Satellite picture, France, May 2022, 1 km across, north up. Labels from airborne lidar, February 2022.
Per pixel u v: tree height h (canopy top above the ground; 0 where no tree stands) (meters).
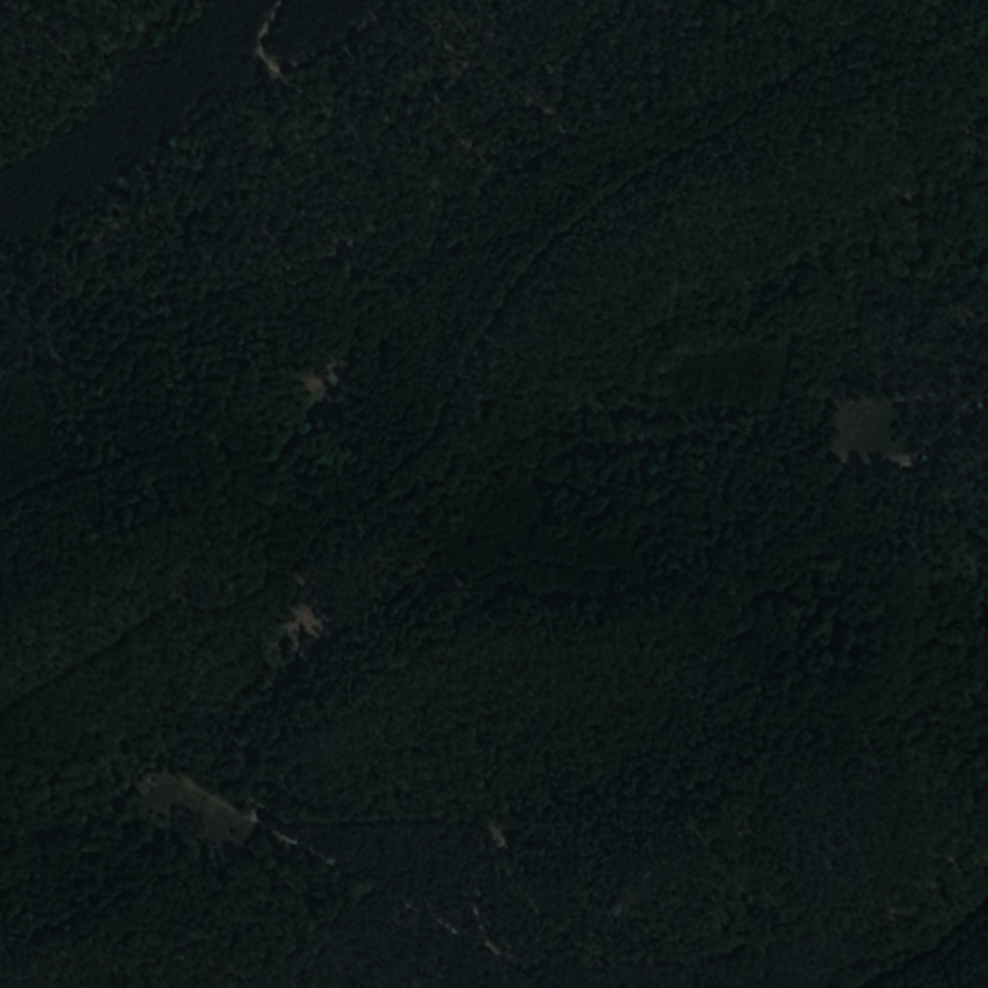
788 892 24
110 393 31
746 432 12
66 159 13
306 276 29
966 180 16
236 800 13
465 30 30
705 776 30
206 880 33
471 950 26
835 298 28
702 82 32
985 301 29
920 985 29
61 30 32
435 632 16
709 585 30
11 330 25
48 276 36
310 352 23
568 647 22
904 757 26
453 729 29
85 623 21
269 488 35
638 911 20
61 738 29
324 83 28
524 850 28
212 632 13
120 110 12
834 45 27
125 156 13
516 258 26
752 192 22
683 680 28
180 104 12
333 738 15
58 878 31
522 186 30
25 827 13
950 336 8
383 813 27
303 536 31
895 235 28
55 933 25
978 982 29
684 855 23
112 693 22
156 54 12
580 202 26
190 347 31
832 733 27
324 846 28
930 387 19
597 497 28
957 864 28
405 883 20
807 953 26
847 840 17
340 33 14
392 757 31
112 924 27
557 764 35
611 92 31
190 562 26
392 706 20
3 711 25
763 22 31
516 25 34
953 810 25
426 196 26
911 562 30
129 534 24
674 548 29
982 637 29
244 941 29
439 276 31
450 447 27
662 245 21
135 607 24
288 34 13
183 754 32
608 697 26
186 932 27
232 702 12
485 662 24
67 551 28
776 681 25
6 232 14
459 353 26
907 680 30
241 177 30
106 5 30
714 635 23
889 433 0
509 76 35
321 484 39
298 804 31
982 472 23
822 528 33
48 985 19
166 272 31
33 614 24
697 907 27
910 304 29
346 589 20
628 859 23
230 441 33
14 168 15
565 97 29
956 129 14
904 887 25
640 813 32
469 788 32
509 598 23
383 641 26
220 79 13
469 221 33
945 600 30
